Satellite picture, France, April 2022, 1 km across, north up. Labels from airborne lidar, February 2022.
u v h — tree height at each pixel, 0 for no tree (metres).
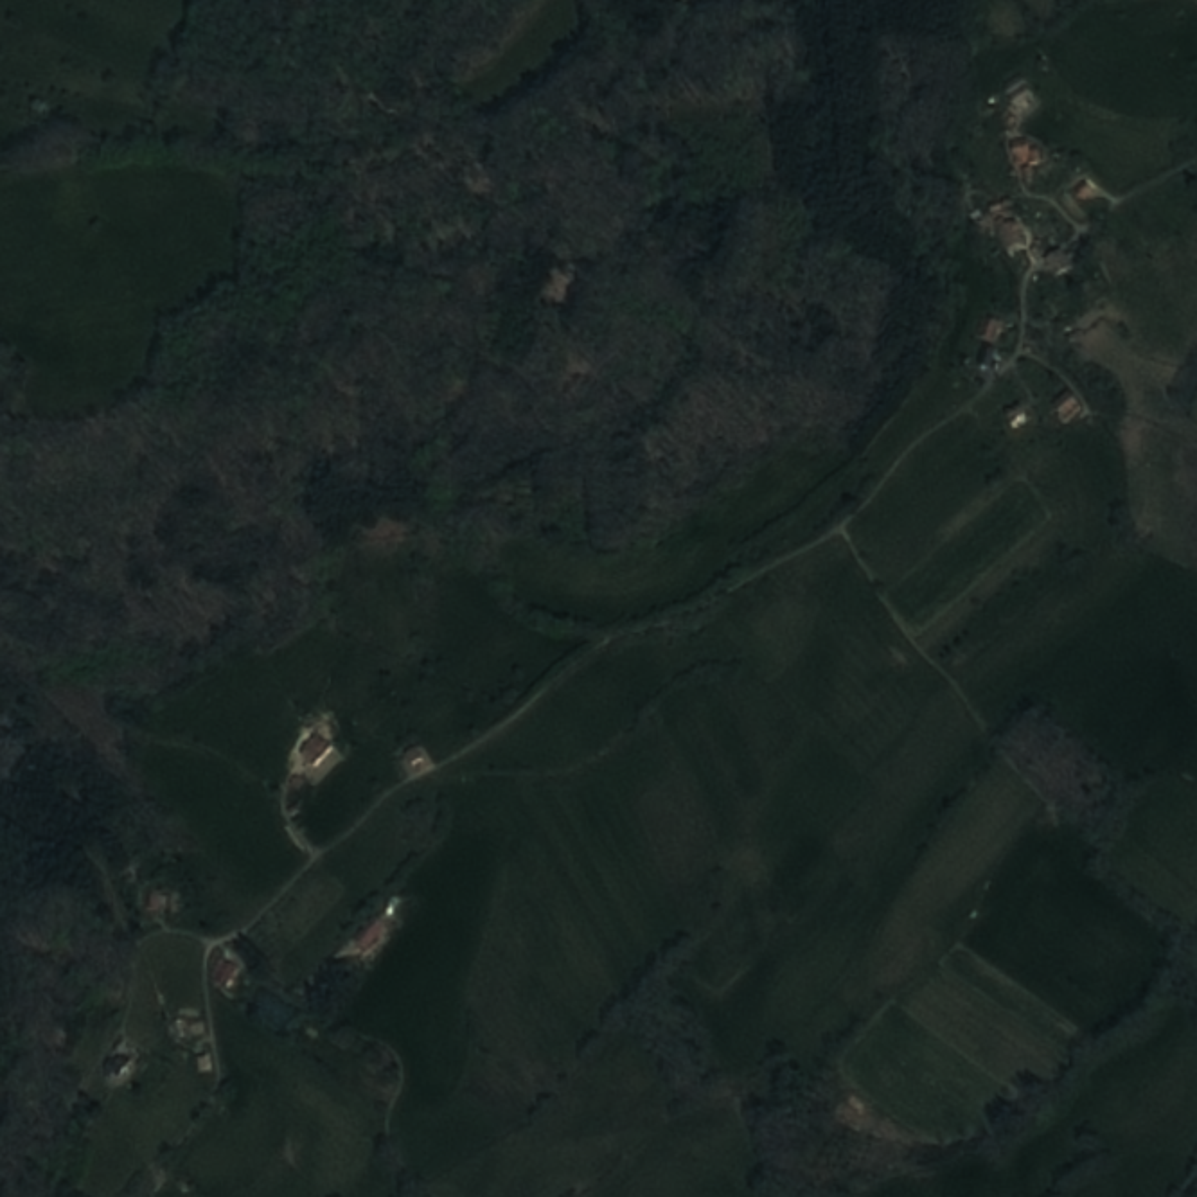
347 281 29
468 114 30
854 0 32
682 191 28
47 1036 31
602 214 37
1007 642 0
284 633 28
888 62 36
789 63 32
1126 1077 0
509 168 32
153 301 0
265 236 21
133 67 0
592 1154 0
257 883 0
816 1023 0
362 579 0
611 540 30
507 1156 0
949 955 0
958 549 0
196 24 15
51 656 29
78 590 28
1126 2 0
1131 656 0
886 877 0
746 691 0
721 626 0
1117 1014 0
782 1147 26
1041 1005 0
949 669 0
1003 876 0
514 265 32
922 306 30
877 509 0
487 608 0
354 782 0
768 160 6
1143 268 0
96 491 29
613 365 27
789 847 0
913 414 0
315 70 28
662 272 30
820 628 0
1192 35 0
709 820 0
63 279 0
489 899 0
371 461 25
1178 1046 0
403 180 24
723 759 0
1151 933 0
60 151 29
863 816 0
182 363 29
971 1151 9
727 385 37
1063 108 0
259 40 27
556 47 0
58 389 0
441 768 0
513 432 38
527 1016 0
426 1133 0
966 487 0
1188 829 0
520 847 0
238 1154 0
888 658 0
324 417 34
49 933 31
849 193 35
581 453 29
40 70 0
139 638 32
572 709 0
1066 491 0
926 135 36
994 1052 0
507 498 17
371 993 0
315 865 0
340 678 0
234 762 0
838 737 0
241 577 27
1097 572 0
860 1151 0
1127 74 0
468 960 0
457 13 29
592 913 0
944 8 30
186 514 33
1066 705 0
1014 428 0
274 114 30
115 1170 0
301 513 32
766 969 0
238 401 30
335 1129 0
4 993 19
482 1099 0
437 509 23
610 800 0
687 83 38
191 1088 0
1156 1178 0
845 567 0
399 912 0
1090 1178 19
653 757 0
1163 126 0
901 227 18
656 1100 0
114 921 30
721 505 11
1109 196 0
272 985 16
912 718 0
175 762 0
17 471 36
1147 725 0
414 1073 0
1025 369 11
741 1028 0
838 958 0
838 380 35
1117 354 0
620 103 38
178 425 31
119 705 24
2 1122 13
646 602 0
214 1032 0
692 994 0
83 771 26
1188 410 9
